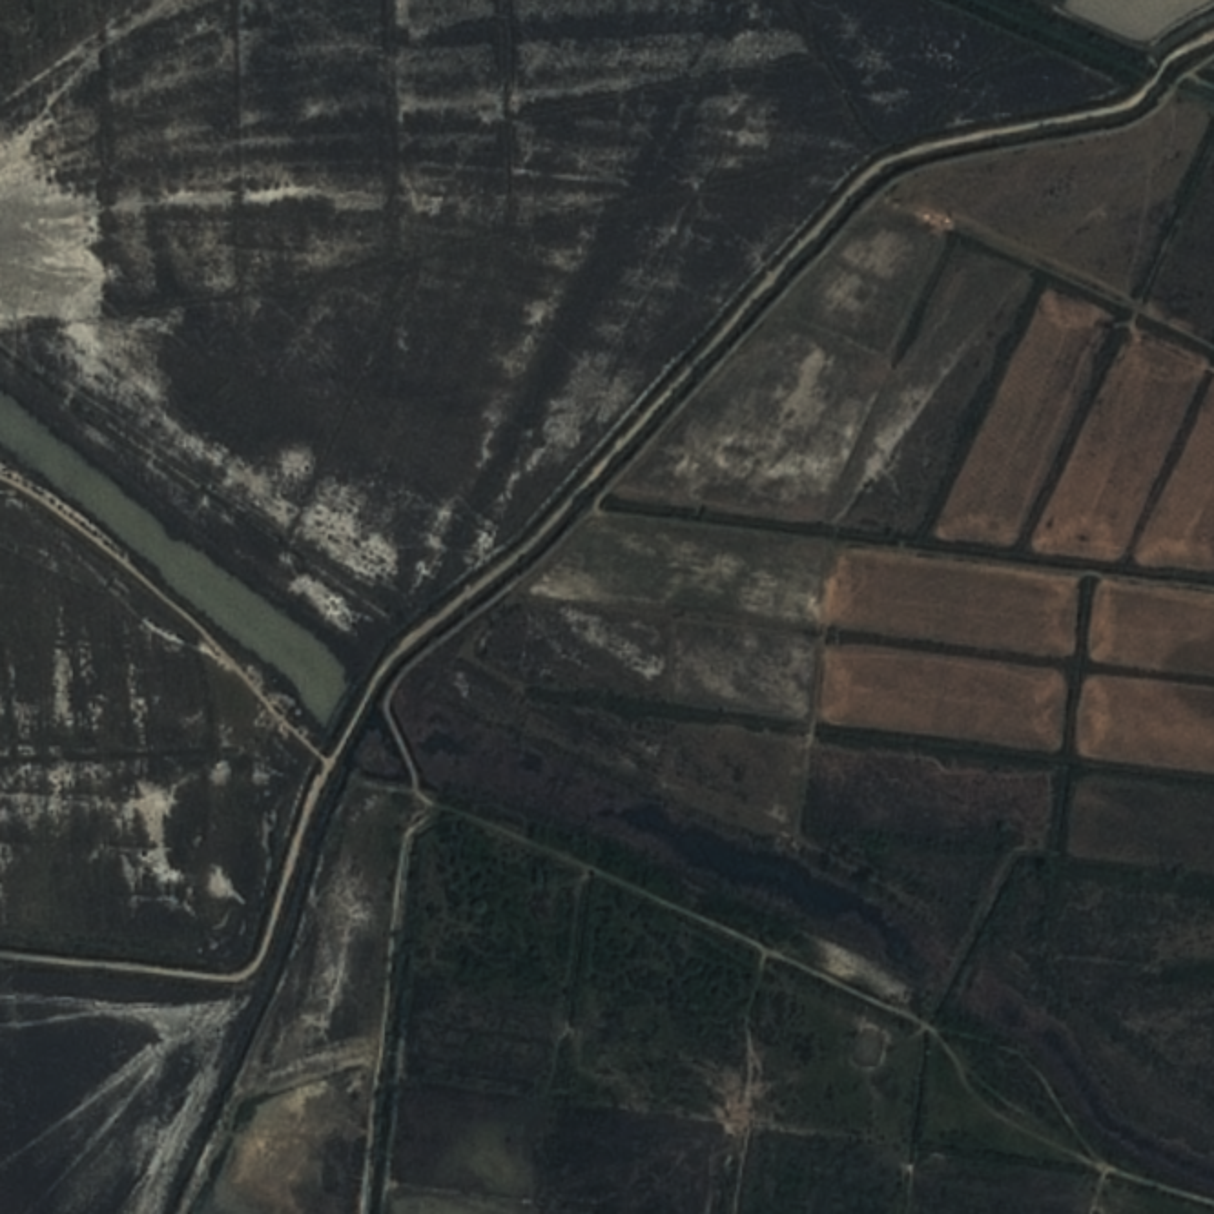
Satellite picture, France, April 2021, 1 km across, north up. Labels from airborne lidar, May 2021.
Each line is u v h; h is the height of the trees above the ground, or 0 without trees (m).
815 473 0
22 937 0
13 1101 0
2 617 0
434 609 6
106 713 0
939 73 0
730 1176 0
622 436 0
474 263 0
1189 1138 0
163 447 0
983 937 8
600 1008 0
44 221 0
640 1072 0
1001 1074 0
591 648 0
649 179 0
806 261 0
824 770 0
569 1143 0
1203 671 0
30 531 0
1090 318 0
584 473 0
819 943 0
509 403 0
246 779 0
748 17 0
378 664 0
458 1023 0
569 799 0
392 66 0
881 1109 0
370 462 0
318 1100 0
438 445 0
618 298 0
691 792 0
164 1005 0
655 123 0
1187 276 0
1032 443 0
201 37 0
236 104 0
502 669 0
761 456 0
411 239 0
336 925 0
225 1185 0
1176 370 0
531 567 0
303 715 0
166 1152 0
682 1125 0
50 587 0
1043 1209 0
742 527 0
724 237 0
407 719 0
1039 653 0
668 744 0
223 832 0
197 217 0
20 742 0
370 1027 0
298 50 0
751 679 0
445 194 0
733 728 0
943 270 0
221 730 0
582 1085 0
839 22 0
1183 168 0
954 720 0
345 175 0
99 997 0
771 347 0
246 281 0
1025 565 0
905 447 0
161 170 0
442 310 0
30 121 0
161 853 0
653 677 0
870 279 0
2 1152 0
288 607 0
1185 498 0
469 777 0
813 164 0
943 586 0
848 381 0
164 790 0
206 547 0
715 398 0
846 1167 0
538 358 0
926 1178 0
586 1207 0
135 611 0
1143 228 0
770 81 0
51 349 0
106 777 0
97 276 0
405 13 0
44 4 0
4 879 0
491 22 0
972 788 0
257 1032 0
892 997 0
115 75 0
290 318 0
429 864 0
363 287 0
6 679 0
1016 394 0
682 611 0
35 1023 0
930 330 0
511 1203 0
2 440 0
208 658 0
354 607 0
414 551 0
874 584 0
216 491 0
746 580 0
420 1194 0
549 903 0
